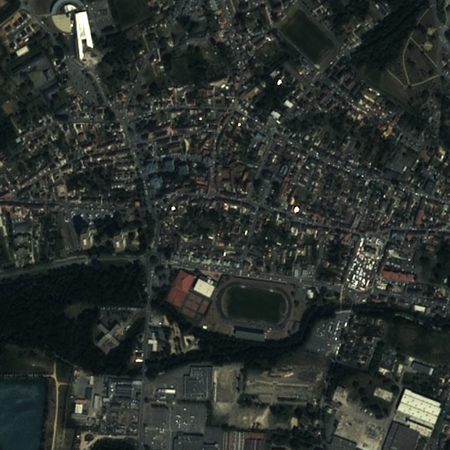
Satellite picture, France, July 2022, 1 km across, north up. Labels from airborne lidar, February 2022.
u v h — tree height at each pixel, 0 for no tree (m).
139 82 0
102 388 0
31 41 12
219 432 0
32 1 0
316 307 12
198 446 0
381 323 0
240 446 0
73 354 23
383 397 0
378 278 0
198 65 9
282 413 11
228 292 0
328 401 7
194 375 0
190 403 7
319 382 0
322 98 0
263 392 0
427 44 0
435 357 0
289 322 0
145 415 0
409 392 0
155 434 0
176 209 0
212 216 17
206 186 0
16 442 0
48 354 13
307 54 0
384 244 0
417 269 0
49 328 33
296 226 0
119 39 8
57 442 0
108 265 0
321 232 0
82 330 23
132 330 0
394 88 0
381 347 6
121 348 19
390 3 19
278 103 9
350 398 0
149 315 0
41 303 21
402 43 13
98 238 13
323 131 0
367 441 0
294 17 0
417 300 0
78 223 10
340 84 0
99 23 0
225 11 0
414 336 0
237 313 0
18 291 18
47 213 0
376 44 15
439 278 17
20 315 26
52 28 0
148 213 13
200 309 0
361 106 0
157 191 0
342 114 7
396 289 0
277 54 0
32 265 8
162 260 0
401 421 0
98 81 0
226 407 0
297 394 0
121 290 28
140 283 6
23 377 7
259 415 0
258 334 0
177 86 0
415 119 10
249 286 0
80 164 10
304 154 0
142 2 0
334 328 0
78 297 25
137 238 0
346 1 0
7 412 0
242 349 14
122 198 7
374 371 7
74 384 0
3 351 8
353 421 0
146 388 0
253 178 0
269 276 0
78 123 0
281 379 0
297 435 12
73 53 0
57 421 0
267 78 10
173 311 7
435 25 0
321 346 0
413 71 0
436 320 16
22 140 7
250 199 0
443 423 0
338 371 21
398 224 0
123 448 11
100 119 0
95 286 23
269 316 0
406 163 0
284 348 15
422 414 0
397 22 17
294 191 0
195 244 0
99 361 25
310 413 23
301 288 0
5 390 0
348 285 0
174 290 0
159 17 0
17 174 0
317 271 0
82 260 0
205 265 0
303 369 0
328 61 0
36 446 0
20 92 0
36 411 0
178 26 0
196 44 0
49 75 0
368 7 16
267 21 0
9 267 7
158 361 13
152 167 0
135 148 0
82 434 0
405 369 0
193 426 0
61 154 0
